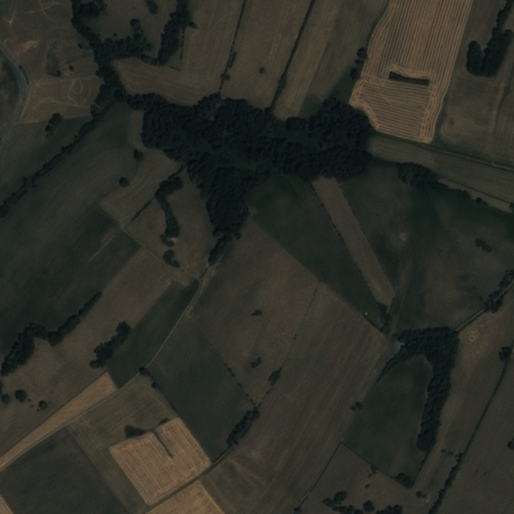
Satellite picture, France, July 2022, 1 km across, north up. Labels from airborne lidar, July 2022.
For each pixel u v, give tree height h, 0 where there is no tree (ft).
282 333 0
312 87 0
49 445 0
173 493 0
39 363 0
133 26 47
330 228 0
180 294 0
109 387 0
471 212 0
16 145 0
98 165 0
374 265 0
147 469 0
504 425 0
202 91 0
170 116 80
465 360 0
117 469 0
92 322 0
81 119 0
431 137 0
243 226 33
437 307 0
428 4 0
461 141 0
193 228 0
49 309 0
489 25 0
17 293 0
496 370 0
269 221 0
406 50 0
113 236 0
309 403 0
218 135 87
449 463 0
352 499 0
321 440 0
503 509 0
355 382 0
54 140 0
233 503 0
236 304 0
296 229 0
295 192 0
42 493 0
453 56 0
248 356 0
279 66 0
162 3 0
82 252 0
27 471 0
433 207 0
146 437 0
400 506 30
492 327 0
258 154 62
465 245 0
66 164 0
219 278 0
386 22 0
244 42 0
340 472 0
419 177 60
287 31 0
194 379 0
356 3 0
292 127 73
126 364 0
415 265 0
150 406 0
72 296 0
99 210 0
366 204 0
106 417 0
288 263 0
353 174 82
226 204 73
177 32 62
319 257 0
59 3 0
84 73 0
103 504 0
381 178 0
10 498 0
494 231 0
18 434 0
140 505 0
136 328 0
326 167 75
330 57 0
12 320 0
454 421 0
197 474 0
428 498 0
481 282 0
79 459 0
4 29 0
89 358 0
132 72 0
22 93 0
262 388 0
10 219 0
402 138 0
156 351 0
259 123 66
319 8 0
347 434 0
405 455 0
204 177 89
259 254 0
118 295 0
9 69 0
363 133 79
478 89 0
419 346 48
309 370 0
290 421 0
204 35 0
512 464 0
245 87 0
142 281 0
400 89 0
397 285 0
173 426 0
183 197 0
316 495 0
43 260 0
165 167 0
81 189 0
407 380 0
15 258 0
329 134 71
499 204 0
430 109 0
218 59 0
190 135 23
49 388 0
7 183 0
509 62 0
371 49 0
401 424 0
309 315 0
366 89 0
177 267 26
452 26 0
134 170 0
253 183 55
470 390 0
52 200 0
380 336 0
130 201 0
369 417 0
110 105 19
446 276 0
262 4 0
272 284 0
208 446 0
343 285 0
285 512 0
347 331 0
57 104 0
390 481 0
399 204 0
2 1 0
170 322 0
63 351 0
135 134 0
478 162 0
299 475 0
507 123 0
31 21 0
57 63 0
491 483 0
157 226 0
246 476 0
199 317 0
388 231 0
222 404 0
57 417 0
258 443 0
